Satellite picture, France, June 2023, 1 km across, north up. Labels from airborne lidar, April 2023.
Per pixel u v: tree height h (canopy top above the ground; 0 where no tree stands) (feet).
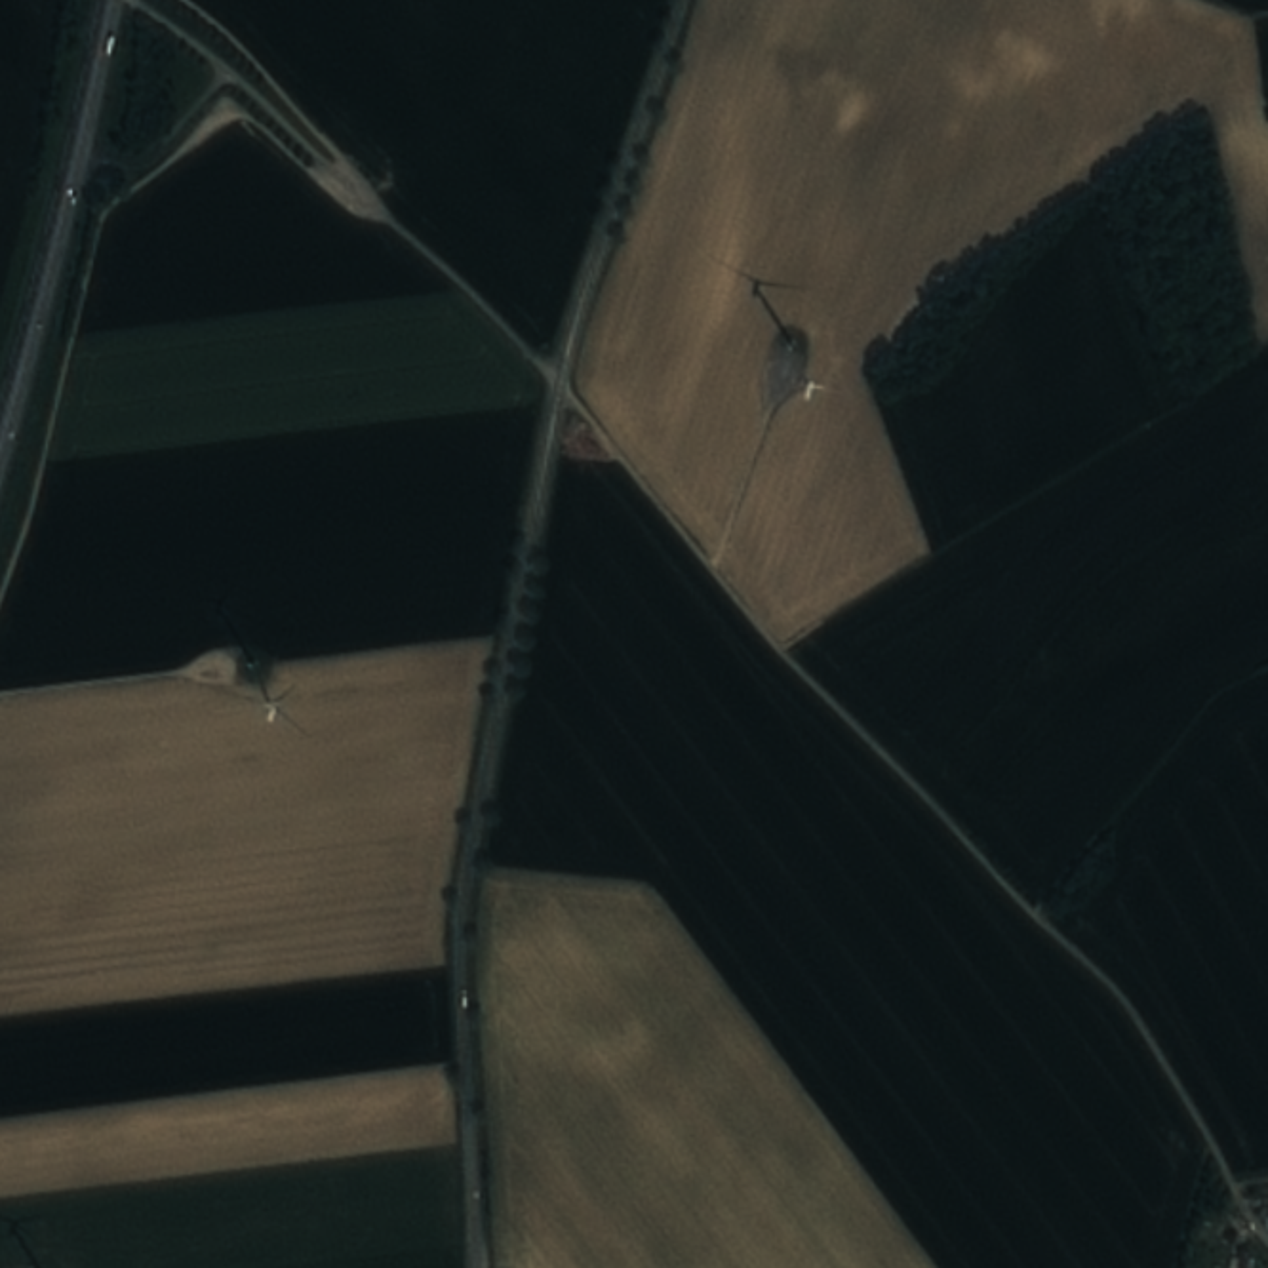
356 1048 0
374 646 0
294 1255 0
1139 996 0
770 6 0
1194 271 77
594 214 49
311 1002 0
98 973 0
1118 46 0
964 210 0
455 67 0
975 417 0
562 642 0
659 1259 0
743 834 0
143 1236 0
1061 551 0
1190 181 71
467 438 0
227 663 0
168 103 50
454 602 0
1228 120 0
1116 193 67
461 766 0
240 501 0
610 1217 0
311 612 0
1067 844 0
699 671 0
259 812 0
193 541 0
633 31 0
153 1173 0
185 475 0
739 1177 0
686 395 0
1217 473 0
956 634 0
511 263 0
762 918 0
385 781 0
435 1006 0
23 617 0
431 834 0
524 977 0
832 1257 0
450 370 0
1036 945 0
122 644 0
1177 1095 0
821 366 0
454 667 0
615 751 0
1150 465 0
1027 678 0
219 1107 0
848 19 0
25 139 0
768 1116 0
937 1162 0
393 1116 0
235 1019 0
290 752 0
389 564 0
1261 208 0
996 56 0
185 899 0
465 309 0
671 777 0
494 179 0
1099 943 0
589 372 0
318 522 0
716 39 0
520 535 30
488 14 0
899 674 0
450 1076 37
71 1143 0
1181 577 0
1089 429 0
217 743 0
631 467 0
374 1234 0
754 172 0
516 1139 0
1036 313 0
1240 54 0
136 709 0
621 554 0
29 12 0
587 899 0
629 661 0
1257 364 0
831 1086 0
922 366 67
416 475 0
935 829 0
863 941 0
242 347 0
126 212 0
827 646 0
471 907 0
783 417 0
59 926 0
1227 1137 0
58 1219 0
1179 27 0
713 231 0
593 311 0
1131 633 0
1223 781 0
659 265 0
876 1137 0
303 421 0
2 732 0
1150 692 0
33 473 0
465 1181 0
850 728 0
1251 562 0
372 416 0
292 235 0
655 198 0
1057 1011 0
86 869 0
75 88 0
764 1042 0
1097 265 0
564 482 0
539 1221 0
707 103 0
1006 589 0
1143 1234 0
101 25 0
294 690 0
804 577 0
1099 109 0
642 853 0
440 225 0
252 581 0
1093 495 0
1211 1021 0
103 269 0
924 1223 0
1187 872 0
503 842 0
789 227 0
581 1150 0
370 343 0
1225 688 0
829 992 0
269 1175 0
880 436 0
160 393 0
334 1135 0
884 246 0
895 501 0
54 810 0
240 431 0
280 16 0
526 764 0
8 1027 0
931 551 0
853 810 0
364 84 0
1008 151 0
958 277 62
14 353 0
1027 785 0
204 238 0
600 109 0
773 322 0
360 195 0
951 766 0
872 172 0
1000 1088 0
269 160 0
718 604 0
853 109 0
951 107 0
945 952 0
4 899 0
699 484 0
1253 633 0
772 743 0
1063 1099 0
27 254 0
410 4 0
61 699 0
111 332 0
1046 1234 0
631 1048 0
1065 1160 0
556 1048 0
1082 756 0
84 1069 0
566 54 0
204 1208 0
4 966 0
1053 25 0
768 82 0
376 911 0
